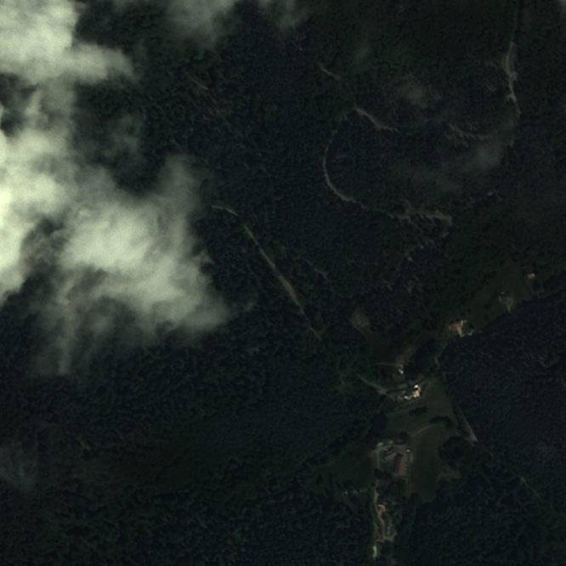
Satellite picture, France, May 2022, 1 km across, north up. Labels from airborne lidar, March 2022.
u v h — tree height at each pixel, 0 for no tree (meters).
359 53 25
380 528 0
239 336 30
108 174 27
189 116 21
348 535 32
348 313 23
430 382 0
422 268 28
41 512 37
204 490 19
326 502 11
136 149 34
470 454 5
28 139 35
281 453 25
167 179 34
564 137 29
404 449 0
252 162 39
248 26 25
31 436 34
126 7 35
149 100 13
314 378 23
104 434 35
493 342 18
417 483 0
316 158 21
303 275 25
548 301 24
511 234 25
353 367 26
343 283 10
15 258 34
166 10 32
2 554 30
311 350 9
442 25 17
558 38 17
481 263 31
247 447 17
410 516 17
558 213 22
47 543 40
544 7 20
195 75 16
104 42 33
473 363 13
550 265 22
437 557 20
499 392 16
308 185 20
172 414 18
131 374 36
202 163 36
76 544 41
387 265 30
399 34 26
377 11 28
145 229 22
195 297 29
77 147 32
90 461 39
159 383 33
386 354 0
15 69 18
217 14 32
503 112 18
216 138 32
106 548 37
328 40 22
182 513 34
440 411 0
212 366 35
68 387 35
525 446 22
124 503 17
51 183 36
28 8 24
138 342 34
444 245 22
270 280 39
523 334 26
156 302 31
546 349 29
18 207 0
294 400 23
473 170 22
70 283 33
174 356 34
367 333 0
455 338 0
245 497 18
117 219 37
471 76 20
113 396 35
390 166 20
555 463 20
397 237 26
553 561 19
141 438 26
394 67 20
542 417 22
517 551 16
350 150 24
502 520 30
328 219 28
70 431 34
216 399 29
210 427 15
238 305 34
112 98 32
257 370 34
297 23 29
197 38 32
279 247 24
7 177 0
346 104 26
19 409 35
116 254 29
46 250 34
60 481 38
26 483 32
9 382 41
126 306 28
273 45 27
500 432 22
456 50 21
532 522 0
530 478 13
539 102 20
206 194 33
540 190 25
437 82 27
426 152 25
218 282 34
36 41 19
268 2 27
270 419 27
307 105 27
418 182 27
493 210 13
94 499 43
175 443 14
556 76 23
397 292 28
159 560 38
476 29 18
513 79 0
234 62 38
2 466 31
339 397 25
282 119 31
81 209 33
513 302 0
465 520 27
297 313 15
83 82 32
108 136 33
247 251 35
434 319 30
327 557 22
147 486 12
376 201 21
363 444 8
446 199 22
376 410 20
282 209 25
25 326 33
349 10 26
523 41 24
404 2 23
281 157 21
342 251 16
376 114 26
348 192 22
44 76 19
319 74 24
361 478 0
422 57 23
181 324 29
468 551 18
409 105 26
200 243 32
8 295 33
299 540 29
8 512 31
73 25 30
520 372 26
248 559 24
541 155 21
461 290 24
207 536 33
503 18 16
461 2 19
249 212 27
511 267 0
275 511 36
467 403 24
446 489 19
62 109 34
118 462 21
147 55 34
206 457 21
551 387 30
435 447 0
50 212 24
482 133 14
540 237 26
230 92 40
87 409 31
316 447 23
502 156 18
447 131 24
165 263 32
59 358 35
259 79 30
